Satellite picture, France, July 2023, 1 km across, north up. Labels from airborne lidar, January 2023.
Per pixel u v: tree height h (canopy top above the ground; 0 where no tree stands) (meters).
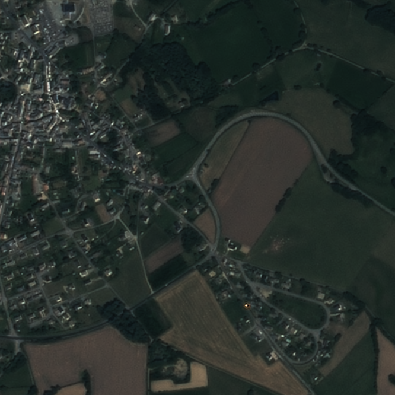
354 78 0
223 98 0
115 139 17
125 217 0
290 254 0
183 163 0
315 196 0
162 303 0
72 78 15
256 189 0
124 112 0
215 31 0
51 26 0
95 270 0
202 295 0
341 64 0
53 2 0
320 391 0
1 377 0
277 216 0
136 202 13
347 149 0
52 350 0
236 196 0
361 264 0
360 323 0
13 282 0
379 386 0
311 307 0
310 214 0
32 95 0
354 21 0
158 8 0
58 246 0
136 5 0
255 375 0
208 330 0
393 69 0
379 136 0
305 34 17
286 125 0
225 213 0
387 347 0
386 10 20
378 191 0
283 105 0
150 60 22
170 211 0
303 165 0
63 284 0
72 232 0
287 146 0
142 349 0
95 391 0
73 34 0
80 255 8
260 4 0
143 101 12
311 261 0
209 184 0
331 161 15
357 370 0
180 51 24
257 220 0
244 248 0
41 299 7
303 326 0
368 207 15
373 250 0
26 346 0
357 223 0
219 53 0
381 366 0
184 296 0
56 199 0
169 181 0
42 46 0
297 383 0
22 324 0
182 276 0
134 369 0
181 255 5
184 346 0
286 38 0
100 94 0
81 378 0
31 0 0
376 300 0
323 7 0
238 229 0
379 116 0
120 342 0
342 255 0
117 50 0
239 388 0
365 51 0
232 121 0
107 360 0
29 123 0
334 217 0
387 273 0
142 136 8
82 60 0
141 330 36
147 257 0
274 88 0
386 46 0
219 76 0
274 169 0
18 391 0
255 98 0
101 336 0
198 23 16
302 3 0
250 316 0
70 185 9
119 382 0
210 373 0
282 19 0
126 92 0
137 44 8
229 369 0
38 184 0
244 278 0
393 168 0
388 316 0
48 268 0
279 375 0
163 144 0
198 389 0
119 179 8
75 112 17
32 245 0
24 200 0
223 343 0
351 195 19
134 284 0
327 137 0
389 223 0
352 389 0
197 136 0
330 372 0
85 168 8
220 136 0
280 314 6
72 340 0
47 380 0
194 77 19
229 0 0
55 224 0
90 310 0
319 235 0
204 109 0
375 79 0
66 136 10
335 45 0
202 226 0
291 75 0
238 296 0
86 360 0
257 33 0
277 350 0
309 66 0
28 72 0
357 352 0
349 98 0
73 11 0
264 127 0
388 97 0
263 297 0
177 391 0
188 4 0
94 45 0
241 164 0
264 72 0
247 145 0
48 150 0
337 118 0
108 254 12
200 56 0
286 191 10
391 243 0
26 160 6
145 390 0
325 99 0
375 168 0
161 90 0
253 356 0
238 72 0
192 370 0
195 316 0
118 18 0
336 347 0
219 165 0
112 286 0
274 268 0
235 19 0
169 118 0
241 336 0
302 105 0
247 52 0
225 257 0
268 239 0
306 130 0
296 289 0
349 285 0
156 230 0
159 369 0
